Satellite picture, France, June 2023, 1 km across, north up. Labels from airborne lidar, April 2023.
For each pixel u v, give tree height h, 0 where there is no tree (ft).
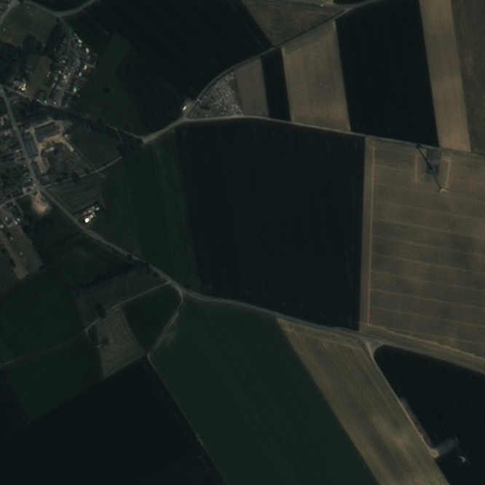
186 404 0
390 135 0
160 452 0
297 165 0
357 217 0
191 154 0
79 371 0
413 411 0
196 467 0
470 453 0
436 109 0
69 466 0
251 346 0
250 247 0
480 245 0
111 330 0
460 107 0
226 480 0
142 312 0
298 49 0
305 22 0
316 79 0
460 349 0
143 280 0
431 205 0
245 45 0
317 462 0
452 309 0
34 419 0
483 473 0
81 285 25
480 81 0
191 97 0
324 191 0
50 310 0
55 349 0
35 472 0
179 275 0
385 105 0
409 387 0
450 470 0
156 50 0
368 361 0
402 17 0
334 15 0
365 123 0
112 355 0
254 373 0
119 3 0
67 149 0
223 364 0
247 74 0
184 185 0
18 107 0
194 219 0
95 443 0
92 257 0
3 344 0
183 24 0
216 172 0
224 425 0
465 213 0
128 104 0
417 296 0
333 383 0
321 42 0
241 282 0
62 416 0
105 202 0
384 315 0
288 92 0
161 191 0
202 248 0
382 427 0
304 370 0
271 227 0
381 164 0
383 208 0
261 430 0
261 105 0
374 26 0
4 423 0
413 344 0
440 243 0
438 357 0
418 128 0
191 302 0
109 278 62
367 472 0
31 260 0
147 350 0
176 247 0
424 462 0
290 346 0
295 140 0
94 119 0
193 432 0
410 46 0
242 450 0
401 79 0
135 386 0
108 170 0
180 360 0
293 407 0
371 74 0
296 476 0
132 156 0
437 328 0
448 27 0
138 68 0
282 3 0
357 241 0
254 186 0
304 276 0
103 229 0
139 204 0
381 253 0
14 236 0
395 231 0
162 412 0
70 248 0
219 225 0
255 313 0
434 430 0
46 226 54
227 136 0
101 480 0
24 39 0
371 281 0
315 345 0
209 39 0
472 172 0
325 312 0
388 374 0
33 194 0
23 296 0
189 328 0
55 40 43
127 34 0
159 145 0
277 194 0
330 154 0
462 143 0
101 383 0
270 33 0
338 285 0
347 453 0
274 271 0
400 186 0
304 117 0
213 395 0
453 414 0
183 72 0
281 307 0
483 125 0
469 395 0
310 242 0
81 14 0
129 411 0
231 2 0
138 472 0
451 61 0
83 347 0
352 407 0
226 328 0
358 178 0
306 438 0
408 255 0
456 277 0
